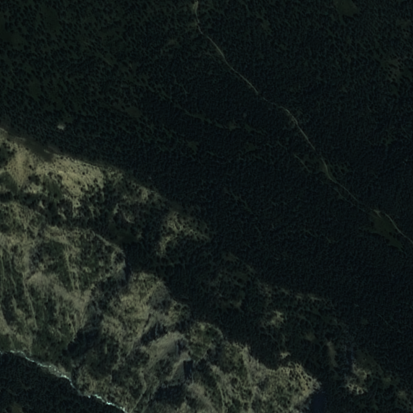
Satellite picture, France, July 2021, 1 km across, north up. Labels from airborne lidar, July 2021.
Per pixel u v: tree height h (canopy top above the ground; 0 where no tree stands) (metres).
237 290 19
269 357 11
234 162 20
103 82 10
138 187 9
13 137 0
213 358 7
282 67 17
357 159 21
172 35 9
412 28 15
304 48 20
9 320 8
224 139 17
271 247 16
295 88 12
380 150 16
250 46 17
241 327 17
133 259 14
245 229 19
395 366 18
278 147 22
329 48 20
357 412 23
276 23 27
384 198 19
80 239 9
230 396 0
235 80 8
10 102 19
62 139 11
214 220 19
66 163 0
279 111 12
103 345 13
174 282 21
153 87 15
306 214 19
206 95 11
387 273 19
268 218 15
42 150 0
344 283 7
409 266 20
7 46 10
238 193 8
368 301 19
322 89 22
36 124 20
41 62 21
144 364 8
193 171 21
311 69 20
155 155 19
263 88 14
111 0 7
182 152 13
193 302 16
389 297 17
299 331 24
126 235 0
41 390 27
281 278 21
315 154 18
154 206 18
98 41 22
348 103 21
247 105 17
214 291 19
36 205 15
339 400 20
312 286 13
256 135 17
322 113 11
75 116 27
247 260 17
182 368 0
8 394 25
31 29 17
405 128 25
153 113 11
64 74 15
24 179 0
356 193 20
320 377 15
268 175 17
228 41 21
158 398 8
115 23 13
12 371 23
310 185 23
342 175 22
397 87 30
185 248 18
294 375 7
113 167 0
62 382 11
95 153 16
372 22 20
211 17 19
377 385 18
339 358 8
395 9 22
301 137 11
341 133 16
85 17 19
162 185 15
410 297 22
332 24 29
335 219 23
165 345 0
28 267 0
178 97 17
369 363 7
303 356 23
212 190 21
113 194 8
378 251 22
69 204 6
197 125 21
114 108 9
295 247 17
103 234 9
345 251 22
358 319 12
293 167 21
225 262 13
